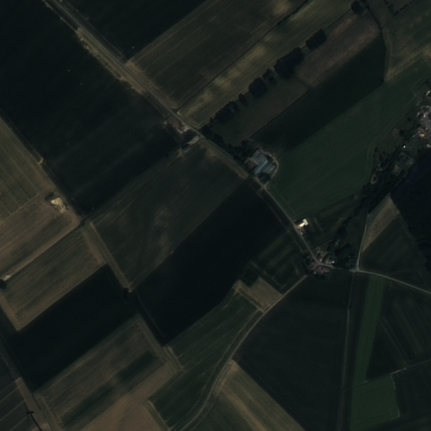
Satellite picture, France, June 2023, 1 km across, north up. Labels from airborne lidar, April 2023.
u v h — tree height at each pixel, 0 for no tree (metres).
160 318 0
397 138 0
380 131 0
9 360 0
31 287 0
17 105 0
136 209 0
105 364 0
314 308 0
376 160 0
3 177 0
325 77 0
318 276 13
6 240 0
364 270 0
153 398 0
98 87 0
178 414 0
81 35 0
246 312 0
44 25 0
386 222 0
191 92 0
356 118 0
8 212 0
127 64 0
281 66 25
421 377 0
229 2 0
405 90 0
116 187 0
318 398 0
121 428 0
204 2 0
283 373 0
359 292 0
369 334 0
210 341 0
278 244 0
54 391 0
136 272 0
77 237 0
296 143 0
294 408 0
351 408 0
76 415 0
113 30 0
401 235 0
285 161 0
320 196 0
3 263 0
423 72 0
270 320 0
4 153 0
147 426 0
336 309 0
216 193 0
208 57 0
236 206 0
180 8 0
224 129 0
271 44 0
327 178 0
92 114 0
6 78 0
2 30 0
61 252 0
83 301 0
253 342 0
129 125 0
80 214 0
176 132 0
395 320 0
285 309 0
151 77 0
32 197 0
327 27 0
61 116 0
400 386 0
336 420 0
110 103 0
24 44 0
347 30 0
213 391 0
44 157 0
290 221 0
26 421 0
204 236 0
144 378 0
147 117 0
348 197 0
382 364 0
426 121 0
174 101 0
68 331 0
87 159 0
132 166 0
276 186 0
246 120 0
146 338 0
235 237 0
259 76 0
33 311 0
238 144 0
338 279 0
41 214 0
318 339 0
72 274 0
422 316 0
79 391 0
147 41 0
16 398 0
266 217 0
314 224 0
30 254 0
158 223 0
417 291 0
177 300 0
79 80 0
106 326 0
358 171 0
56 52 0
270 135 0
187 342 0
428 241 13
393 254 0
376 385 0
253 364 0
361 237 0
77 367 0
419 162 0
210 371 0
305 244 0
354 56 0
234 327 0
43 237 0
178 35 0
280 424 0
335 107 0
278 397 0
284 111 0
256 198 0
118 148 0
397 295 0
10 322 0
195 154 0
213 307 0
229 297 0
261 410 0
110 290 0
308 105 0
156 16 0
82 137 0
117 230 0
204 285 0
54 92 0
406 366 0
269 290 0
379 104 0
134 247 0
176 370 0
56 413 0
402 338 0
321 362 0
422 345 0
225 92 0
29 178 0
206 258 0
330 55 0
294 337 0
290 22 0
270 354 0
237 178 0
